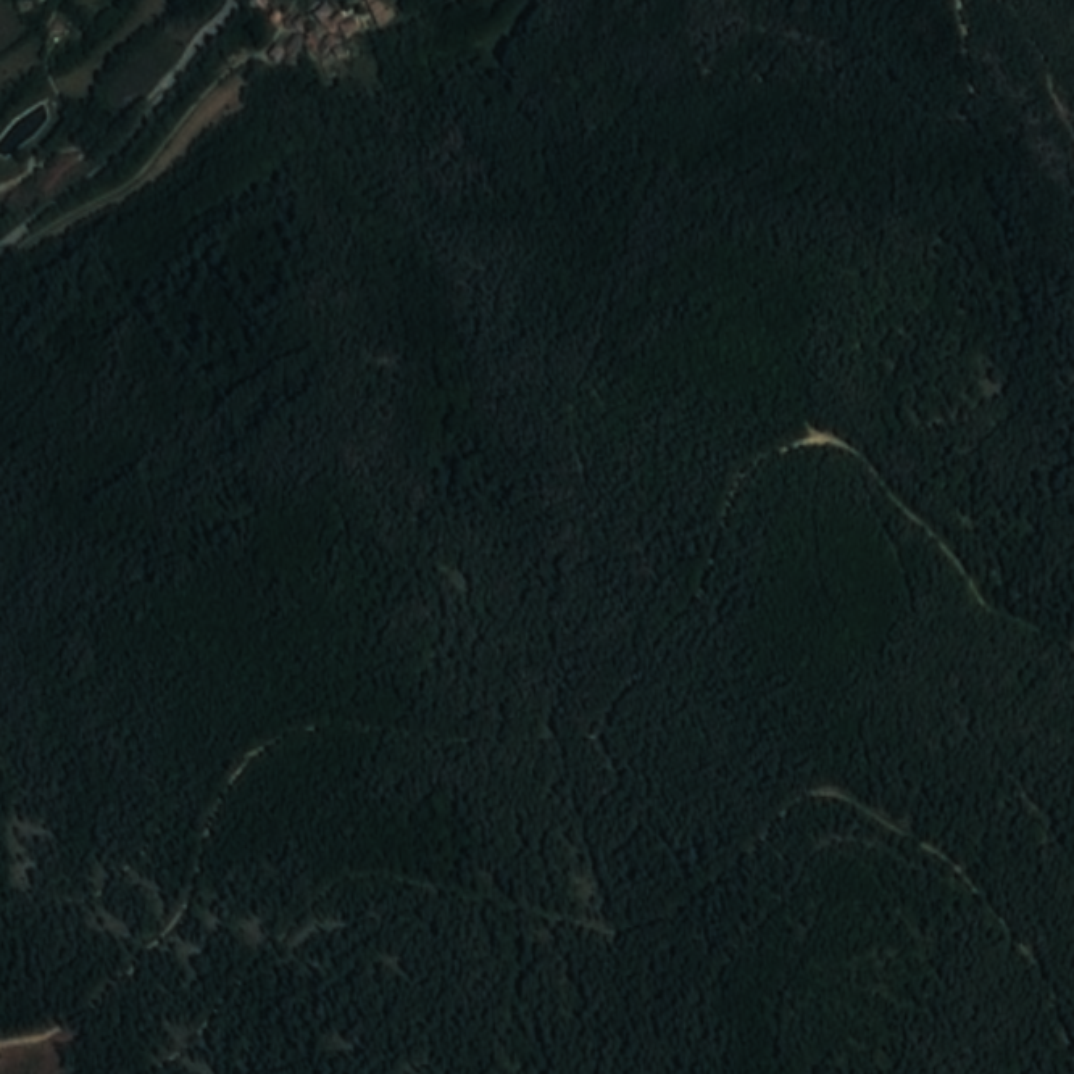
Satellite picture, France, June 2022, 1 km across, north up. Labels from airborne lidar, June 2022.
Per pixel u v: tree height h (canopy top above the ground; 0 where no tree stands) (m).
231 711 9
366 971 15
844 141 21
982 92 19
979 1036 17
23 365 15
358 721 12
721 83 19
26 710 16
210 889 10
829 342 17
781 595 10
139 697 7
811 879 12
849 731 14
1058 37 12
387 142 21
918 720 26
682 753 17
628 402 10
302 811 10
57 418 23
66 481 22
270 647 11
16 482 16
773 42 18
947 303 14
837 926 8
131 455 14
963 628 26
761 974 9
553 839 21
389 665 14
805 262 18
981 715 25
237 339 13
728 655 17
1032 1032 25
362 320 25
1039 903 23
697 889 17
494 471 27
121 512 26
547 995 10
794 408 20
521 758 19
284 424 32
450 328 18
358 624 12
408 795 21
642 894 22
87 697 15
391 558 27
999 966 21
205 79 17
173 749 12
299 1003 20
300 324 21
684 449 12
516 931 13
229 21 11
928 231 28
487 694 21
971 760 24
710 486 16
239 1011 13
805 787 15
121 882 14
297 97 18
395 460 31
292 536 14
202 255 29
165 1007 18
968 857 16
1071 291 17
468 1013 23
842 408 18
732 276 12
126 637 15
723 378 8
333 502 10
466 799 23
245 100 8
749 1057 13
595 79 13
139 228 21
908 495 25
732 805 21
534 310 11
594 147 16
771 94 20
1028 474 26
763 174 15
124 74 0
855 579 9
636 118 17
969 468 25
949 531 22
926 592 23
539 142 32
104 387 19
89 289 29
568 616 21
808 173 9
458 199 15
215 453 16
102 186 16
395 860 8
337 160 26
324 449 19
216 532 7
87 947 20
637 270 25
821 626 9
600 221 14
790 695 6
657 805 19
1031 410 26
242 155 11
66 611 17
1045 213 19
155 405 15
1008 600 24
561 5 18
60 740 13
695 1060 19
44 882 8
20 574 14
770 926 11
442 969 24
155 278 20
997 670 23
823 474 14
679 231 16
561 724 19
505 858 24
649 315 17
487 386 22
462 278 16
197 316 12
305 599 12
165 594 15
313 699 10
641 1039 23
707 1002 25
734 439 11
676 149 15
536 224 19
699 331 9
